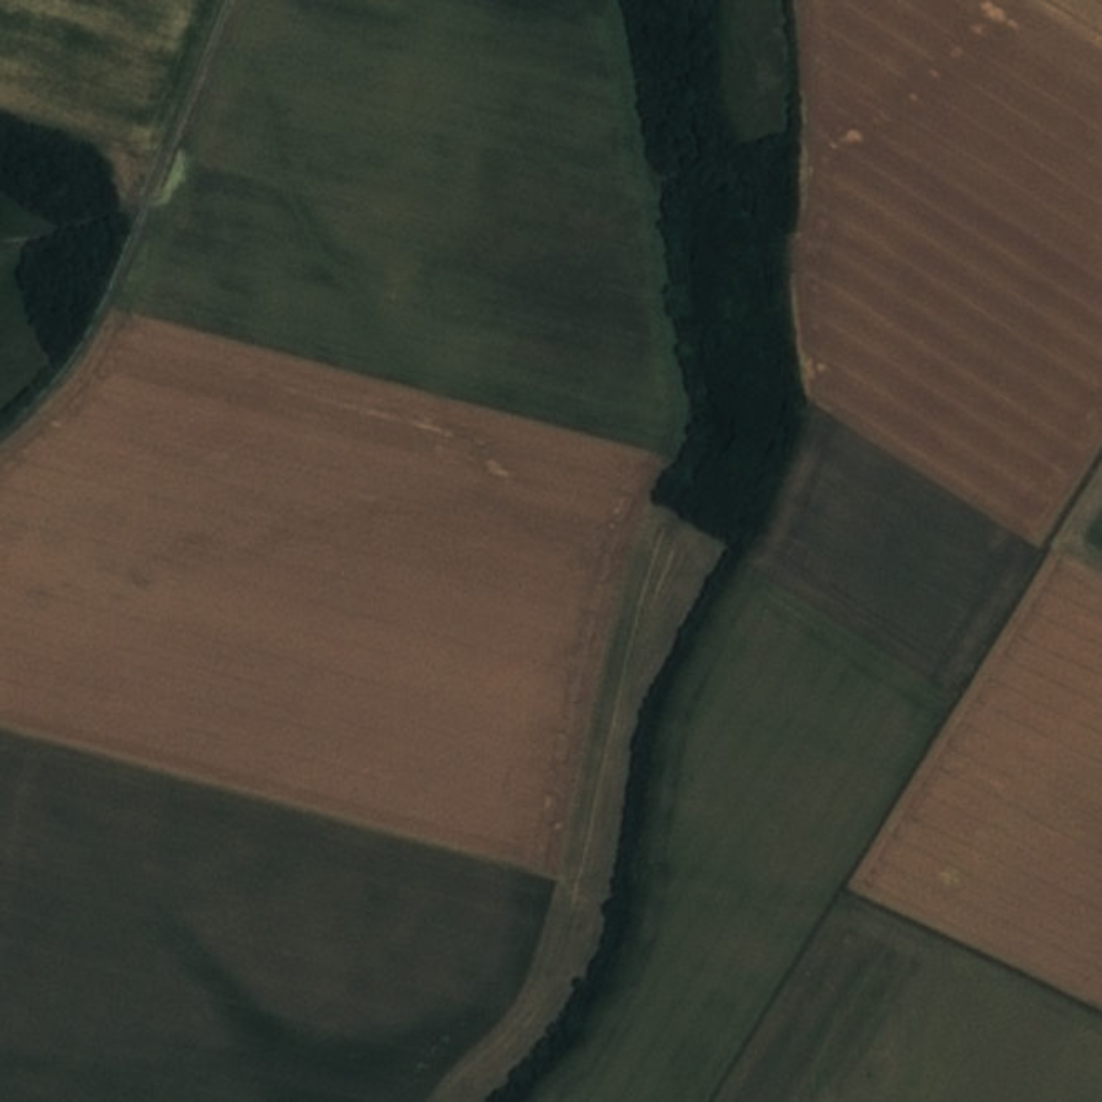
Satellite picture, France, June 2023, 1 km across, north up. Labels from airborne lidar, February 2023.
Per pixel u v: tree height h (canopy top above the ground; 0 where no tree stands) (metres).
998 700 0
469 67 0
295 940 0
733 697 0
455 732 0
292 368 0
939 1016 0
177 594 0
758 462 14
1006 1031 0
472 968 0
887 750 0
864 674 0
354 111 0
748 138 0
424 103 0
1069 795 0
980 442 0
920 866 0
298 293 0
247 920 0
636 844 8
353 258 0
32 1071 0
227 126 0
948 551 0
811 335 0
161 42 0
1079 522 0
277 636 0
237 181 0
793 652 0
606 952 8
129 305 0
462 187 0
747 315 13
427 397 0
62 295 14
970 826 0
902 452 0
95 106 0
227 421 0
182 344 0
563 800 0
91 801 0
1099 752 0
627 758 0
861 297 0
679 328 9
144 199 0
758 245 13
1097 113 0
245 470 0
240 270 0
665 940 0
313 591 0
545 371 0
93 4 0
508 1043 0
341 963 0
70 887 0
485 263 0
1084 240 0
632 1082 0
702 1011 0
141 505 0
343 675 0
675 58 11
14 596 0
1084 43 0
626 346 0
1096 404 0
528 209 0
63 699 0
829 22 0
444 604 0
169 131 0
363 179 0
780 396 13
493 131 0
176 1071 0
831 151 0
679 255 16
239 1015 0
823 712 0
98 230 14
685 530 0
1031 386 0
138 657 0
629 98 0
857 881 0
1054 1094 0
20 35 0
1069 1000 0
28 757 0
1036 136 0
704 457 15
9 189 13
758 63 0
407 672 0
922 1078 0
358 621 0
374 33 0
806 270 0
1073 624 0
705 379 8
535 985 0
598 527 0
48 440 0
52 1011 0
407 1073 0
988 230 0
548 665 0
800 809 0
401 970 0
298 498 0
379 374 0
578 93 0
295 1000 0
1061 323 0
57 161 20
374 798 0
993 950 0
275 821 0
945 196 0
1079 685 0
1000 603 0
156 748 0
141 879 0
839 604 0
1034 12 0
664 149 11
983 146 0
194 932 0
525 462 0
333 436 0
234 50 0
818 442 0
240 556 0
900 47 0
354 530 0
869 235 0
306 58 0
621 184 0
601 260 0
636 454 0
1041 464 0
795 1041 0
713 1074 0
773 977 0
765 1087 0
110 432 0
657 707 11
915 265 0
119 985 0
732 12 0
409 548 0
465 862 0
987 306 0
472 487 0
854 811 0
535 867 0
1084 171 0
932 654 0
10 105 0
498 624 0
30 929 0
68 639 0
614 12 0
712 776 0
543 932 0
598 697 0
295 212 0
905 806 0
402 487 0
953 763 0
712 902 0
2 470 0
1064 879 0
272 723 0
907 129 0
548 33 0
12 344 0
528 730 0
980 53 0
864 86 0
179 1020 0
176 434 0
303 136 0
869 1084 0
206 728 0
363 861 0
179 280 0
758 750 0
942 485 0
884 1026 0
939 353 0
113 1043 0
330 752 0
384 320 0
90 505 0
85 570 0
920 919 0
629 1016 0
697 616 11
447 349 0
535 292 0
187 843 0
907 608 0
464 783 0
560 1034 13
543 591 0
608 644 0
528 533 0
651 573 0
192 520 0
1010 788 0
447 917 0
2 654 0
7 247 0
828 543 0
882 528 0
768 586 0
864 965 0
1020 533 0
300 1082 0
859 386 0
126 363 0
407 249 0
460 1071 0
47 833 0
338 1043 0
